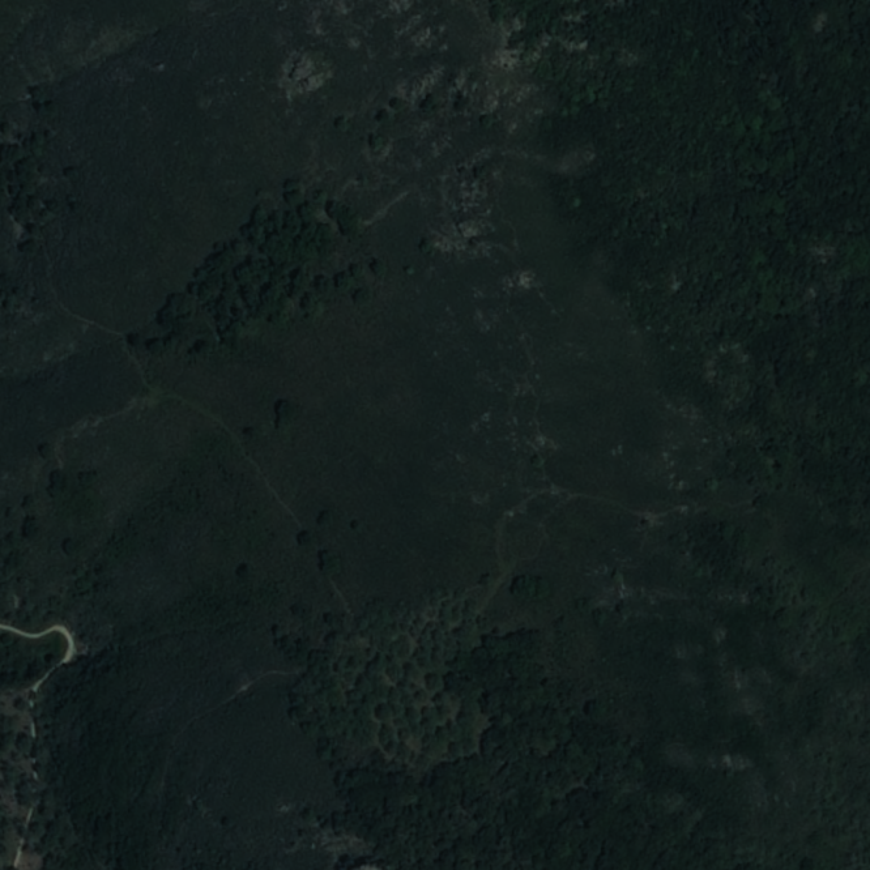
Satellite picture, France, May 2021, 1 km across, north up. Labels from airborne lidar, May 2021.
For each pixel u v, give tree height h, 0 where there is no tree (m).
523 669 25
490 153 0
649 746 8
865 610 7
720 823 7
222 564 8
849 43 20
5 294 11
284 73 0
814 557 5
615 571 10
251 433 16
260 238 19
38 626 7
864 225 15
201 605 6
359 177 7
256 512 7
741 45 20
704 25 14
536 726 18
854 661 6
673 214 17
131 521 7
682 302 15
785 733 6
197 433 7
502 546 0
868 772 17
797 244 18
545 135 7
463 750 16
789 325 15
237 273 15
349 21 0
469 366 0
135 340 18
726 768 8
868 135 17
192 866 7
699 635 6
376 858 7
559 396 0
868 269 12
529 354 0
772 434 19
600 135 11
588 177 8
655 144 19
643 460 0
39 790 16
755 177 19
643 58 13
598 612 10
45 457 14
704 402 7
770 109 21
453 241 0
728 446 9
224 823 13
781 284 21
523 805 13
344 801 9
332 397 6
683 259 12
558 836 15
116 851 12
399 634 14
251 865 8
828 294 9
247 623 7
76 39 0
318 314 16
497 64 0
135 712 6
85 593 14
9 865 0
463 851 20
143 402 0
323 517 15
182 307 21
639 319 6
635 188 14
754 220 27
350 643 14
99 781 6
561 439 0
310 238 17
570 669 8
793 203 18
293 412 13
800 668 12
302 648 15
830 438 12
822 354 12
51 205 16
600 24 17
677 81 12
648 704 7
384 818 19
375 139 14
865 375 12
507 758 15
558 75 13
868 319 18
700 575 11
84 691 10
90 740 8
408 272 11
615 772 19
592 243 9
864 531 7
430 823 13
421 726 18
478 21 0
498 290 0
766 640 6
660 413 0
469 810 16
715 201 20
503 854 16
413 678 17
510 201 0
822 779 15
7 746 17
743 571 10
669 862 19
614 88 15
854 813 8
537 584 21
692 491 6
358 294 15
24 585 12
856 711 15
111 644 12
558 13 15
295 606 10
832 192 19
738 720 6
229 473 6
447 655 21
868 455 6
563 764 16
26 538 17
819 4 19
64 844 16
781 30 13
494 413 0
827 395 8
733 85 17
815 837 14
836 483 18
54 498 15
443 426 0
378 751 11
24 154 8
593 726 9
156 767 6
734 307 16
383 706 15
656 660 7
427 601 13
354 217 17
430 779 10
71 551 23
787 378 18
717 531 9
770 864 10
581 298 0
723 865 15
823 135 13
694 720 6
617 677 8
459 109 14
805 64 11
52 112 13
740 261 21
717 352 9
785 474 24
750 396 11
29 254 15
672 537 8
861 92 18
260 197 10
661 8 17
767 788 7
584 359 0
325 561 18
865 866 9
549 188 6
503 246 0
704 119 20
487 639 20
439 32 6
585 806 22
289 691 6
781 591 17
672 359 6
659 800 19
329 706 8
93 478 12
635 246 16
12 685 18
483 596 0
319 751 10
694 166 14
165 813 8
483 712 10
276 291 25
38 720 18
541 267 0
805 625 12
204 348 20
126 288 6
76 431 0
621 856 21
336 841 7
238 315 23
